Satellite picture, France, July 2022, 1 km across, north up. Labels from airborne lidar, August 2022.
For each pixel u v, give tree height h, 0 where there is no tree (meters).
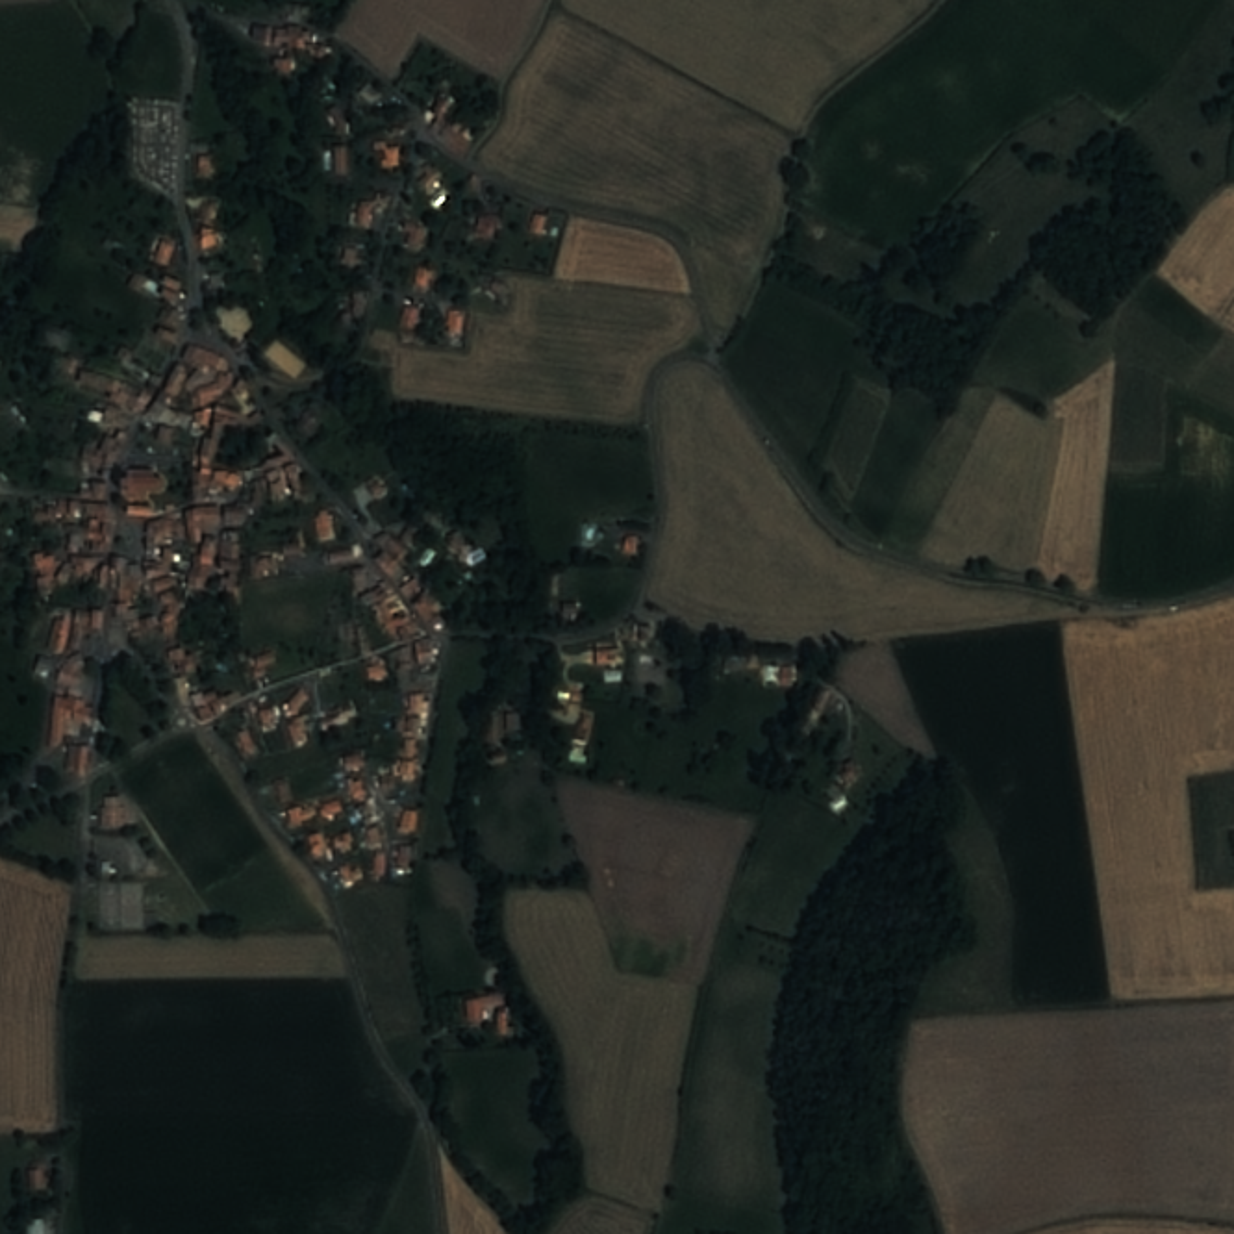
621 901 0
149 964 0
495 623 10
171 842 0
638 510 0
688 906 0
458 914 0
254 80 12
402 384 0
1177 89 0
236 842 0
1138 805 0
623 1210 0
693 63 0
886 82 0
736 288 0
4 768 20
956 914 17
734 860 0
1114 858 0
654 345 0
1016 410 0
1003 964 0
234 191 8
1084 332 9
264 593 0
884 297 16
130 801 0
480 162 0
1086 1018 0
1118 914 0
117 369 9
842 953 14
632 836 0
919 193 0
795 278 9
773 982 0
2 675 0
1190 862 0
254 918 0
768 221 0
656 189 0
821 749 11
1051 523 0
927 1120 0
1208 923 0
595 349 0
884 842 23
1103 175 15
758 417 0
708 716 0
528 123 0
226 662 11
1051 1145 0
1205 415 0
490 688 12
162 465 0
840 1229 11
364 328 8
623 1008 0
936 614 0
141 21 9
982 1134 0
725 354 6
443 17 0
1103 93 0
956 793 20
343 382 19
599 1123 0
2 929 0
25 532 8
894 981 12
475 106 9
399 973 0
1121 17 0
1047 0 0
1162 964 0
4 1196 0
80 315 0
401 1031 0
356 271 7
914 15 0
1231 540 0
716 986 0
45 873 15
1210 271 0
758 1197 0
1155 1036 0
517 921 0
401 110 9
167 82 0
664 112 0
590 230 0
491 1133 0
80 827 0
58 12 0
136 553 0
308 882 0
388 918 0
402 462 18
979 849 0
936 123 0
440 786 0
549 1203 10
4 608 8
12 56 0
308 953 0
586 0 0
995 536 0
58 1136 10
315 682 0
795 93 0
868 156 0
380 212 0
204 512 0
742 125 0
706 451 0
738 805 0
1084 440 0
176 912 0
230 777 0
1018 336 0
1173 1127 0
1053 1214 0
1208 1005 0
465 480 9
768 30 0
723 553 0
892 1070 9
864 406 0
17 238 0
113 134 21
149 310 0
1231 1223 0
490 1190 11
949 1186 0
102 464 0
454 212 8
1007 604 0
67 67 0
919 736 0
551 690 16
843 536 0
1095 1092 0
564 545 0
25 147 0
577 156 0
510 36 0
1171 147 0
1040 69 0
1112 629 0
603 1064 0
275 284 6
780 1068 18
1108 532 0
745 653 24
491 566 9
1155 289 0
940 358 17
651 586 0
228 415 0
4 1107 0
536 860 0
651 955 0
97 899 0
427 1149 0
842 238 0
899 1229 13
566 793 0
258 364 24
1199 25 0
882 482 0
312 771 0
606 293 0
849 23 0
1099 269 25
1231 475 0
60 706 0
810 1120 17
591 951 0
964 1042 0
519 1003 17
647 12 0
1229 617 0
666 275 0
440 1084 19
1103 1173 0
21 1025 0
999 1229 0
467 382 0
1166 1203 0
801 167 18
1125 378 0
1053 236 11
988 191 0
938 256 25
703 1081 0
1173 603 0
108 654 0
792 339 0
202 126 0
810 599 0
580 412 0
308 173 17
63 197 12
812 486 0
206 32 16
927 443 0
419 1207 0
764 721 0
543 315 0
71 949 9
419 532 9
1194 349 0
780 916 0
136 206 7
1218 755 0
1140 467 0
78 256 0
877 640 0
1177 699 0
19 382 18
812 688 9
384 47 0
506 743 9
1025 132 0
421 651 0
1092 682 0
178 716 0
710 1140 0
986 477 0
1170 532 0
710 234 0
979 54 0
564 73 0
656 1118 0
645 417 0
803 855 0
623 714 0
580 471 0
